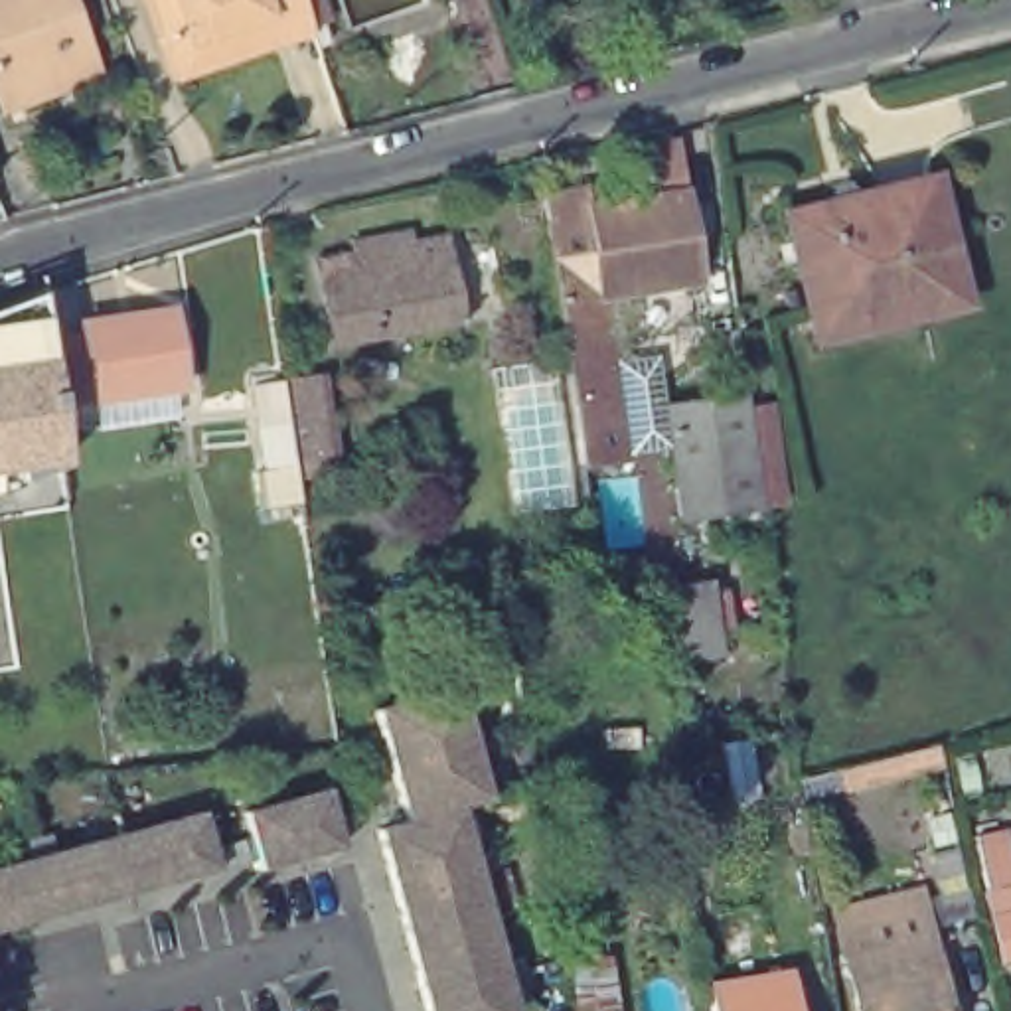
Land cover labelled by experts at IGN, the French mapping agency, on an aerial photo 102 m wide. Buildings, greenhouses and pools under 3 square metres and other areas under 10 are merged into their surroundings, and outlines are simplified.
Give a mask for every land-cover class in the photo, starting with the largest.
<instances>
[{"label":"herbaceous vegetation","instance_id":"1","mask_svg":"<svg viewBox=\"0 0 1011 1011\"><path fill-rule=\"evenodd\" d=\"M107 0H87L103 67L118 55L107 24ZM474 47L458 43L450 32H438L423 43V59L411 83L395 79L391 69L375 79L332 75L344 122H351L363 115L427 111L474 87ZM956 95L960 107L972 115L964 138H983L991 150L972 190L960 182V166H968V158L956 142L932 150L930 174H944L956 197L964 245L979 288V312L948 324H920L904 336L869 340L853 348H821L814 336L794 332L782 336L786 379L794 391V411L810 466V474L794 482L790 509L794 565H778V592L786 600L790 640L786 663L742 652L727 667L715 663L711 675H695V703L754 699L778 703V715L814 719V735H782L774 750L754 746L762 790L778 782L782 790L798 794L806 786V778L814 774H833L928 746L944 750H948L956 746V742H972V739H983V735H991V731H1003V727H1011V51L975 63H956L936 75H912L908 83H889L873 91V99L885 107H916ZM288 91L280 55H261L190 83L186 107L213 142L217 162L269 150L280 142L272 134L269 115L272 103ZM130 118H83L71 103H47L36 111V118L24 122L0 115V182L8 194L16 186L39 194L28 154L32 130L43 138H59L75 150V194H99L118 186L122 158L115 138H122ZM742 150H794L802 154L810 174L798 178L782 166H737L744 237L739 241V257H719L711 261L715 272L727 276L735 300L715 312H687L691 328H703V336L739 348L750 367H766L770 351L758 316L770 308L778 320L806 304L802 276H794V269L782 261V241L766 233H746L750 205L766 209L778 197H786L794 209L833 197V186L821 170L810 103L774 115H762L758 107L742 111ZM312 233L308 257H344L367 237L395 233L450 237L454 229L430 225L438 217V194L430 190L359 205H336V197L320 201L304 209ZM474 253L494 249L498 269L517 280L525 276L529 292L517 296V304L529 312L533 332L541 340L553 336L573 348V328L561 320L553 296L557 245L549 217L537 201H502L494 213H482L478 225L466 233ZM190 280L182 308L190 324L197 375L205 395H233L245 387V371L253 363H265L269 340L257 257L253 237L245 233L182 249ZM612 340L620 363L632 359L640 344H656L648 324V300H616ZM280 324H304V328H324V324H328V316L320 312V308H316V304H280V308H276ZM513 363L506 355L502 320L478 324L474 332L411 340L407 351L395 344H363L348 355H336L316 363L312 375L328 379H359L379 375L387 367V399L355 407V427H367L379 415H395L403 403L419 399L442 430L446 454L458 458L462 494L470 498V529H454L442 541H423L407 533L395 517L336 525L348 549L351 596L367 620L359 640L363 648L383 644L379 600L387 592L379 588V577L399 573L403 561H411L415 553L423 561L454 553H506V573H521L525 545L517 537L498 533L521 509L517 502L509 498V450L498 415V391L486 379L494 367ZM707 367L691 351L675 363L671 371H663L667 399L699 403L703 395L695 379H703ZM67 513H43L24 521L0 517V754L20 770L47 750H79L87 758L111 762L107 774L91 770L75 782H55L51 798L36 802L43 833L55 837L67 853L79 845L154 829L190 814H209L221 837V853L233 857L237 841L245 837L241 817L225 794L201 786L197 766L205 762H221L253 746L284 754L292 782L265 798L261 810L332 790V782L328 754L336 746L359 742L371 754L387 750L375 723H336V691L328 675L316 671V636L312 628H320L324 620H312L308 612L296 529L288 521H272L269 509L257 506L253 450L205 454L201 442H186L174 427V423L130 430L99 427L79 442V462L67 474ZM75 584L87 596L91 632H79L83 612L75 608ZM174 632H182V640L190 644V660H225L245 667V707L253 719L233 727L225 739L205 742L201 750L158 754L150 731L138 727L126 739L115 723V711L126 687L134 683H162L166 691H186L182 667L170 660ZM63 671H71V679L95 695V703L83 715H63L59 699L36 703L32 695L39 679H59ZM707 537L691 521H675L667 533L648 529L644 545L624 549L636 565H656L663 581L683 600H691L695 584L715 581L735 596V620L742 624H750L758 600H746L742 581L727 565L703 557ZM502 711H482L478 723L494 782L502 790L517 778L545 774L557 762L573 758L584 770V778H592L604 790L608 829H624V806L632 786L663 782H683L715 821H735L739 814L727 742L739 739V731L731 727L723 735H707L695 719L691 727L671 735L663 723H644L636 715H600L537 750H521L509 758L498 746ZM979 786L1011 782V746H995V750H987V754H983V758H975V762ZM916 778H900L861 794H821V810L837 821L841 845L857 865V889H849L857 904L908 893L904 877H896V865L904 869L908 861L924 857V845L932 841V833L924 829L928 814L952 817V806L916 802ZM395 825H407V810L399 806V802H395V794H391V790H387V794L379 798V810H371L367 825V829H395ZM525 817V806H513L502 794L494 798V810H474V825L490 865V885L513 952L517 983L533 1011H577V975L537 948L533 932L517 916V900L525 893L521 873L537 861V853L513 861L509 821ZM707 908L695 912L719 979L798 972L806 960H814L817 972L829 968L837 956L825 952V928L817 912L829 904L810 857H794L786 837L778 849L750 857L731 853L703 869ZM600 956H608L616 968L624 1011H652V979H675L679 995L691 981L671 916L656 900L648 908H628L624 932H604Z\"/></svg>","mask_w":1011,"mask_h":1011},{"label":"building","instance_id":"2","mask_svg":"<svg viewBox=\"0 0 1011 1011\"><path fill-rule=\"evenodd\" d=\"M103 67L87 0H0V115L24 122L36 118V111L47 103H71L75 87L83 79H95ZM158 28V55L150 59V63H158L166 79L190 83L261 55H280L288 43L304 39L328 47L355 36V24L344 0H150L142 8ZM656 170L652 205L624 197L620 209H604L596 190H557V197L537 201L549 217L557 245L553 296L561 320L573 328V375H553L577 490L573 506L596 513H604L608 478H636L644 494L640 525L648 529L667 533L675 521H691L707 537L715 517L762 521L774 509H790L794 482L778 403H699L667 399L663 371H671L675 363L667 348L656 344H640L632 359L620 363L612 340L616 300H648V292L699 288L715 272L711 261L683 146L675 138L640 144ZM782 261L794 269V276H802L806 304L810 316L794 332L814 336L821 348H853L869 340L904 336L920 324H948L979 312V288L964 245L956 197L944 174H930L877 190H857L853 197H833L794 209L782 241ZM245 233L253 237L257 257L269 340L265 363L284 367L280 324L269 280V233ZM312 304H316V308H320V312L328 316V348L336 355H348L363 344H395L407 351L411 340L474 332L478 324V312L466 304V284L450 237L395 233L367 237L344 257H308ZM197 375L190 324L182 308L91 316L87 324L67 320L59 328V304L51 292L0 308V490L12 478L36 482L39 466H63L67 474L79 462V442L99 427L130 430L174 423L186 383ZM253 417L174 427L186 442H201L205 454L253 450L257 506L269 509L272 521H288L296 529L308 612L312 620H324L316 541L308 533L304 509V478L316 474L340 450L328 379L312 375L284 383H249ZM742 624L735 620V596L715 581L695 584L691 600V632L683 636V644H695L699 656L715 663L727 667L742 652ZM75 608L83 612L79 632H91L87 596L75 584ZM316 671L328 675V640L316 636ZM387 750L391 790V794H395V802H399V806L407 810V825H395V829H375V849L383 857L395 920L407 944L411 979L423 1011H533L517 983L513 952L490 885V865L474 825V810H494V798L502 794V790L494 782L478 723L466 731H446V723L423 719L407 707H387L375 711V723ZM739 814L762 798V790L754 746L739 739L727 742ZM944 766V750L928 746L833 774H814L806 778V786L810 794H861L900 778H916ZM960 786L968 794H975L979 786L975 762H968V758H964ZM348 794L340 782H332V790L261 810L241 817L245 837L237 841L233 857L221 853V837L209 814H190L154 829L79 845L67 853L55 837L43 833L24 849V865L0 869V928L36 940L67 928H87L111 904L142 900L158 889H201L197 896L213 904L237 873L249 869L269 873L280 885L316 873L336 877L340 869H355L351 837L363 825L355 810H340ZM786 837L794 857H810V814L790 817ZM924 829L932 833V841L924 845V857L928 873L936 877L948 900L968 893L952 817L928 814ZM999 956L1011 972V837H975ZM825 928V952L837 956L829 968L817 972L814 960H806L798 972L719 979L711 1011H956V979L940 948L936 920L928 912V896L916 889L908 893L857 904L833 916L829 904L817 912ZM577 1011H624L616 968L608 956H600L596 972L581 968L577 975Z\"/></svg>","mask_w":1011,"mask_h":1011},{"label":"deciduous trees","instance_id":"3","mask_svg":"<svg viewBox=\"0 0 1011 1011\"><path fill-rule=\"evenodd\" d=\"M490 28L502 43L506 71L517 91L573 87L596 75L604 87L628 79L632 95L671 75L667 51L703 55V47L715 43H746L750 28L735 20L719 0H498L490 12ZM833 0H778L774 8L782 12V28L821 20ZM118 55L103 67L95 79H83L75 87L71 103L83 118H130L122 138H134L146 182L166 174L162 142L170 138V130L162 118V99H154L146 83H138L150 63V59L138 51L134 32H126L122 24H107ZM391 69V55H371L355 36L328 47L332 75L375 79ZM312 111L308 99L288 91L272 103L269 115L272 134L280 142L296 138ZM829 134L841 150L845 170H865L873 154L861 130H853L841 118L837 107H829ZM28 154L39 194H75V150L59 138H43L32 130ZM430 190L438 194V217L430 225L454 229L466 233L478 225L482 213H494L502 201H537L557 197V190H596L604 209H620L624 197L652 205L656 170L640 144L612 130L596 142L588 162H498L490 154H470L458 166H450L442 186ZM968 158V166H960V182L972 190L991 150L983 138H964L956 142ZM794 209L786 197H778L766 209L750 205L746 233H766L782 241ZM312 233H269V280L276 308H280V304H312L308 257ZM498 288L506 300L502 320L506 355L513 363H533L541 375H573V348L553 336L541 340L533 332L529 312L517 304V296L529 292L525 276L517 280L498 269ZM328 324H324V328H304V324H280L284 367V383L312 375L316 363L336 355L328 348ZM707 367L703 379H695L703 395L699 403H778L766 367H750L739 348L703 336L691 351ZM387 367L379 375L359 379H328L340 450L316 474L304 478V509L308 533L316 541L324 620L320 628H312L316 636L328 640V675L336 691V723H375V711L387 707H407L423 719L446 723V731H466L478 723L482 711H502L498 746L509 758L521 750H537L600 715H636L644 723H663L671 735L691 727L695 719L707 735H723L731 727L739 731V739L754 746L774 750L782 735H814V719L778 715V703L754 699L695 703V675H711L715 663L699 656L695 644H683V636L691 632V600H683L663 581L656 565H636L624 549H608L596 513L573 506L537 509L529 502H517L521 509L498 533L517 537L525 545L521 573H506V553H454L423 561L415 553L411 561H403L399 573L379 577V588L387 592L379 600L383 644L363 648L359 640L367 620L351 596L348 549L336 525L395 517L407 533L423 541H442L454 529H470V498L462 494L458 458L446 454L442 430L419 399L403 403L395 415H379L367 427H355V407L387 399ZM703 557L727 565L742 581L746 600H758L750 624H742V652L786 663L790 640L786 600L778 592V565H794L790 509H774L762 521L715 517L707 537ZM170 660L182 667L186 691H166L162 683H134L126 687L115 711V723L126 739L138 727L150 731L158 754L201 750L205 742L225 739L233 727L253 719L245 707V667L225 660H190V644L182 640V632H174ZM32 695L36 703L59 699L63 715H83L95 703V695L71 679V671H63L59 679H39ZM332 782H340L348 794L340 810H355L363 825H367L371 810H379V798L387 794V790H391L387 750L371 754L359 742L336 746L328 754ZM201 786L225 794L241 817L261 810L265 798L292 782L284 754L253 746L221 762H205L197 766ZM111 762L87 758L79 750H47L20 770L0 754V869L24 865V849L43 833L36 802L51 798L55 782H75L91 770L107 774ZM964 758H960V754H948V750H944V766L916 778V802L952 806L968 794L960 786ZM502 794L513 806H525V817L509 821L513 861L537 853V861L521 873L525 893L517 900V916L533 932L537 948L577 975L581 968L596 972L600 956L604 932H624L628 908H648L656 900L660 885L679 881L695 912L707 908L703 869L731 853L750 857L778 849L786 837L790 817L810 814V857L829 904L833 916L857 904L849 889H857V865L841 845L837 821L821 810V794H810L806 786L798 794L782 790L778 782L762 790V798L739 814L735 821H715L683 782H663L632 786L624 806V829H608L604 790L592 778H584V770L573 758L557 762L545 774L517 778L502 790ZM991 1011H1011V972L999 956L983 968Z\"/></svg>","mask_w":1011,"mask_h":1011},{"label":"impervious surface","instance_id":"4","mask_svg":"<svg viewBox=\"0 0 1011 1011\"><path fill-rule=\"evenodd\" d=\"M150 0H107V24H122L126 32H134L138 51L150 59L158 55V28L142 8ZM498 0H403L399 8L355 24V36L371 55H391V69L395 79L411 83L423 59V43L438 32H450L458 43L474 47V87L427 111L363 115L351 122H344L332 75L328 47L304 39L288 43L280 55L288 91L308 99L312 111L296 138L280 142L269 150L217 162L213 142L186 107L190 83L166 79L158 63H150L138 83H146L154 99H162V118L170 130V138L162 142L166 174L146 182L134 138H115L122 158L118 186L99 194H39L16 186L8 194L0 182V308L51 292L59 304V328L67 320L87 324L91 316L182 308L190 280L182 249L245 233H312L304 209L320 201L336 197V205H359L430 190L442 186L450 166H458L470 154H490L498 162H588L596 142L612 130L640 144L675 138L683 146L711 261L719 257L723 209L711 150L719 146V118L742 111L758 107L762 115H774L810 103L821 170L833 186V197H853L857 190H877L930 174L932 150L956 142L964 138L972 115L960 107L956 95L916 107H885L873 99V91L869 83L881 71L979 51L1011 39V0H833L821 20L782 28V12L774 8L778 0H719L735 20L750 28L746 43H715L703 47V55L667 51L671 75L632 95L628 79L604 87L596 75L573 87L517 91L506 71L502 43L490 28V12ZM829 107H837L841 118L853 130H861L873 154L865 170H845L841 150L829 134ZM450 237L466 284V304L478 312V324L502 320L506 300L498 288V269L494 249L474 253L466 233L454 229ZM735 300L727 276L715 272L699 288L648 292V324L656 344L667 348L675 363L691 351L703 336V328H691L687 312H715ZM249 383H284V367L265 363H253L245 371V387L233 395H205L197 375L186 383L174 423V427L253 417ZM67 474L63 466H39L36 482L12 478L0 490V517L24 521L43 513H67ZM355 869H340L336 877L316 873L280 885L269 873L249 869L237 873L213 904L197 896L201 889H158L142 900L111 904L87 928H67L36 940L0 928V1011H423L411 979L407 944L395 920L383 857L375 849V829H367V825H363L351 837ZM896 877H904L908 893L916 889L928 896V912L936 920L940 948L956 979V1011H991L983 968L968 893L948 900L936 877L928 873L924 857L908 861L904 869L896 865Z\"/></svg>","mask_w":1011,"mask_h":1011},{"label":"brushwood","instance_id":"5","mask_svg":"<svg viewBox=\"0 0 1011 1011\"><path fill-rule=\"evenodd\" d=\"M1011 51V39L979 51L881 71L869 83L873 91L889 83H908L912 75H936L956 63H975ZM742 111L719 118V146L711 150L723 209L719 257H739V241L744 237L737 166H782L798 178L810 174L802 154L794 150H742ZM810 316L806 304L778 320L770 308L758 316L770 351L766 367L778 403L794 482L810 474V466L794 411V391L786 379L782 336L794 332ZM995 746H1011V727H1003V731H991V735H983V739H972V742H956V746L948 750V754H960V758H968V762H975V758H983V754H987V750H995ZM968 893L983 968L999 956L975 837H1011V782L979 786L975 794H968L952 806V817ZM656 900L671 916L691 981L679 995L691 1011H711L719 979L695 912L679 881L660 885Z\"/></svg>","mask_w":1011,"mask_h":1011},{"label":"swimming pool","instance_id":"6","mask_svg":"<svg viewBox=\"0 0 1011 1011\"><path fill-rule=\"evenodd\" d=\"M355 24L399 8L403 0H344ZM486 379L498 391V415L509 450V498L517 502H529L537 509L573 506L577 490L553 375H541L533 363H513L494 367ZM604 513H596L608 549H624L644 545L648 529L640 525L644 494L636 478H608ZM652 1011H691L679 995L675 979H652Z\"/></svg>","mask_w":1011,"mask_h":1011}]
</instances>
